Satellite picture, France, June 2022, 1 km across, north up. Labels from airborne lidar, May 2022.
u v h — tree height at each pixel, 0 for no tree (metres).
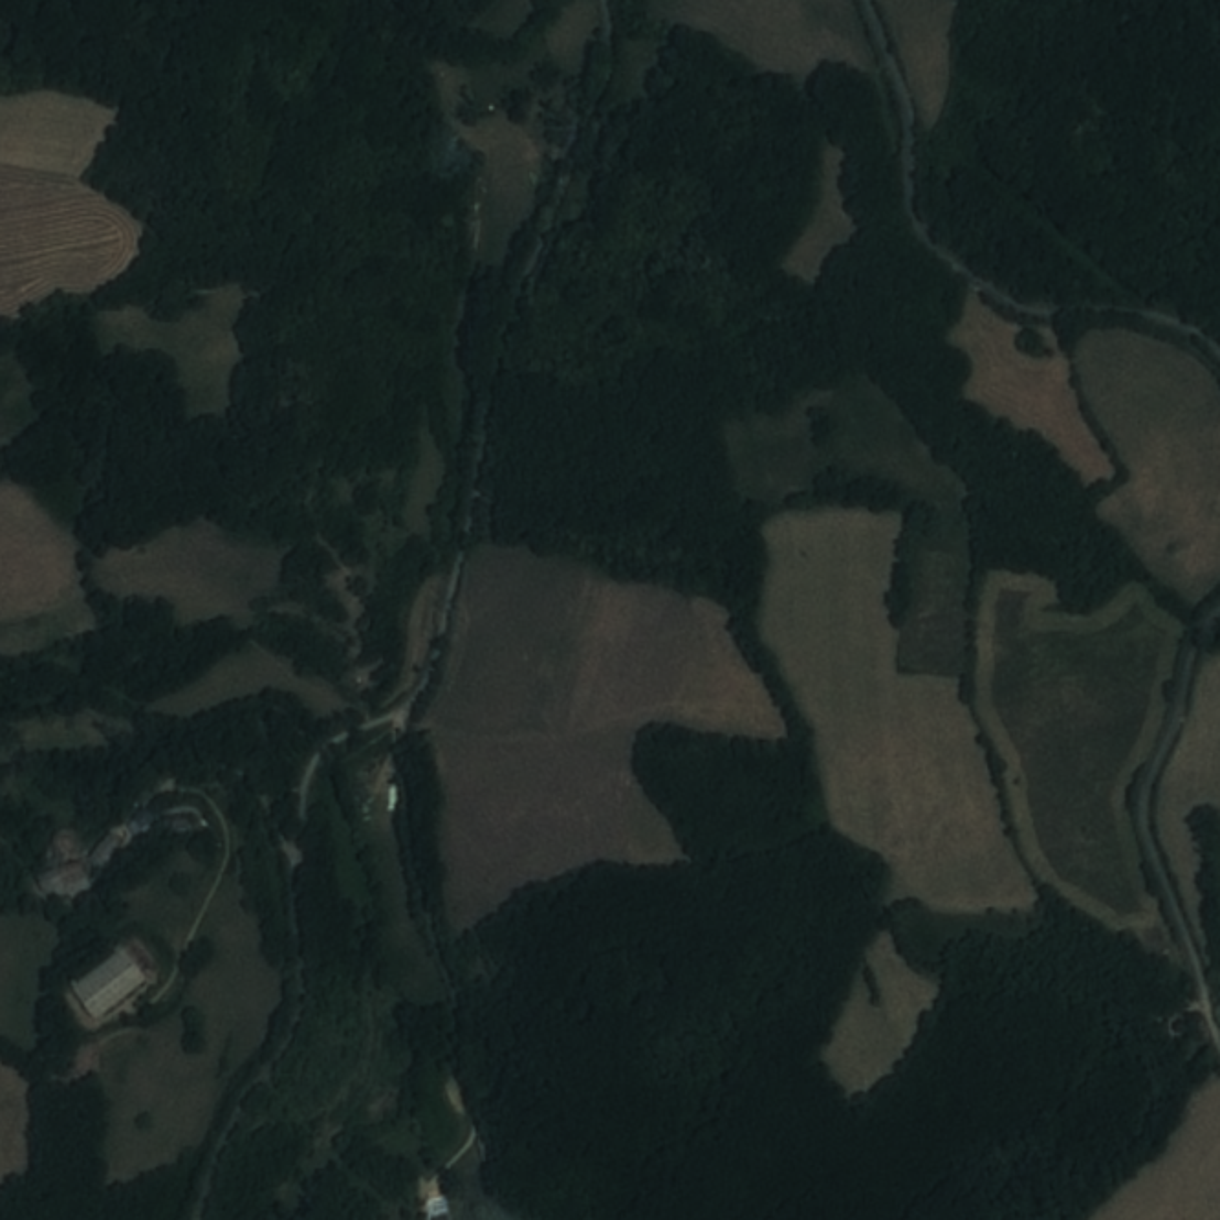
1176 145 17
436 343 20
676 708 0
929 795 0
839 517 0
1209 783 0
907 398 16
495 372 16
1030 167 26
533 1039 24
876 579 0
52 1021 22
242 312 9
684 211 17
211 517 14
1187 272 19
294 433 22
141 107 21
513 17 0
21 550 0
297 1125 13
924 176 11
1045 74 18
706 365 18
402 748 11
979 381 0
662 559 16
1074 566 18
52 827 16
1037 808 0
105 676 13
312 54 15
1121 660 0
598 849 0
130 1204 18
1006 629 0
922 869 0
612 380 15
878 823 0
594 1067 23
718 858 10
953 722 0
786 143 22
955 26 7
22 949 0
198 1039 18
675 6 0
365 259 12
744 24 0
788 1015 17
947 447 16
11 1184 15
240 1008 0
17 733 24
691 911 15
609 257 18
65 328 13
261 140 17
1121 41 30
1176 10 29
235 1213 17
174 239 20
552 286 19
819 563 0
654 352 12
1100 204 24
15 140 0
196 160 16
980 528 13
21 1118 0
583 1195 18
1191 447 0
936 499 0
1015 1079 12
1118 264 17
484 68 13
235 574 0
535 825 0
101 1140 16
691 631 0
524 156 0
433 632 0
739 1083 21
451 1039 15
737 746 14
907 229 15
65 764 14
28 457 24
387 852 0
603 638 0
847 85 17
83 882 0
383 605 10
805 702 0
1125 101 27
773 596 0
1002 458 17
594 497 23
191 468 30
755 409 15
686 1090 20
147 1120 11
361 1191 7
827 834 15
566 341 18
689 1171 20
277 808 13
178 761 21
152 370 24
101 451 20
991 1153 16
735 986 19
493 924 13
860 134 20
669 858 0
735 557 18
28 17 28
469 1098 18
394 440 15
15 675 18
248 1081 6
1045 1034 12
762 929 18
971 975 9
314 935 18
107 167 13
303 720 15
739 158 19
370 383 15
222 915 0
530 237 10
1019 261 28
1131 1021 22
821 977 18
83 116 0
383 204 18
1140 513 0
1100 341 0
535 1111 23
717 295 17
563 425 18
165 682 16
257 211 23
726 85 9
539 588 0
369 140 20
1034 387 0
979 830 0
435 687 8
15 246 0
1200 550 0
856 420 0
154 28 20
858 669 0
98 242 0
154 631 25
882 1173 16
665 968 18
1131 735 0
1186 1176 0
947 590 0
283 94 20
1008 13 9
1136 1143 17
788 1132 15
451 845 0
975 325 0
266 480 21
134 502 25
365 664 13
